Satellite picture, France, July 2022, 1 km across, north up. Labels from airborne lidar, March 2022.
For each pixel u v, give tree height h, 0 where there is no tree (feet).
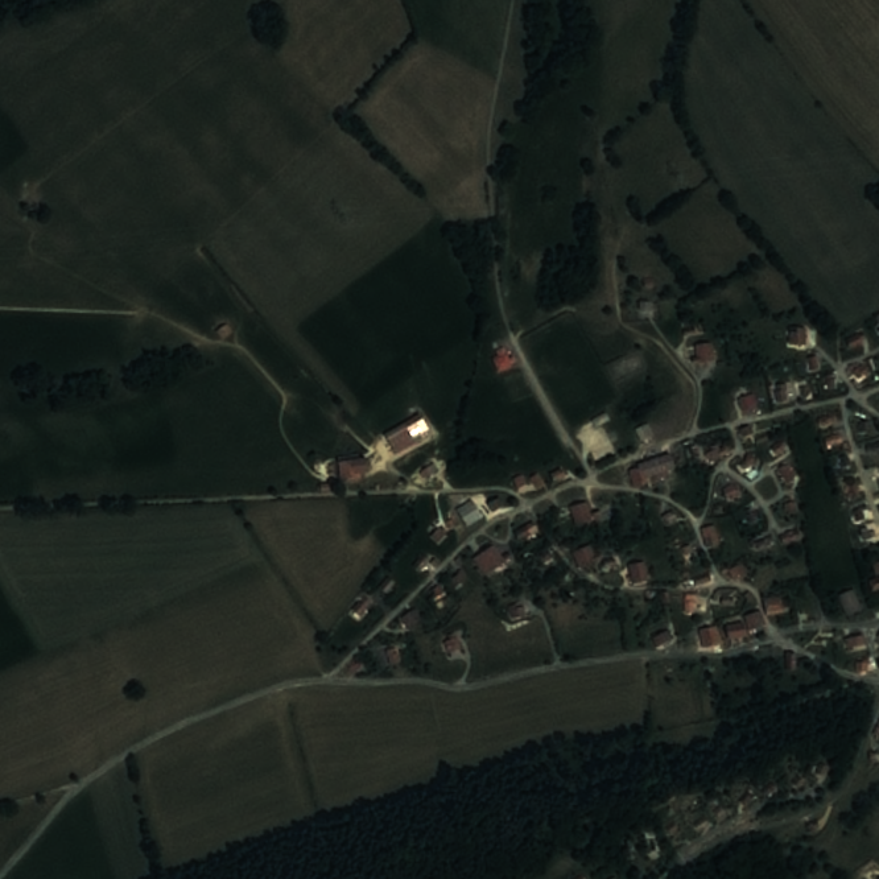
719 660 0
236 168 0
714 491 0
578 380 0
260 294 0
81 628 0
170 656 0
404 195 0
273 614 0
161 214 0
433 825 88
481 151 0
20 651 0
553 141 0
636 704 0
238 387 0
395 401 0
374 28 0
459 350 0
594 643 0
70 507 72
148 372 33
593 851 58
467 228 39
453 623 0
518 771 85
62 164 0
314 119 0
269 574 0
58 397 67
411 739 0
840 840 0
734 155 0
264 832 0
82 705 0
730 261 0
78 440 0
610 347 0
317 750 0
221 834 0
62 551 0
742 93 0
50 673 0
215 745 0
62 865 0
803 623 0
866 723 67
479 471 0
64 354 0
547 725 0
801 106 0
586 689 0
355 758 0
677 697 0
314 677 0
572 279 63
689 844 0
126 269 0
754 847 66
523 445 0
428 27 0
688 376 0
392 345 0
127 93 0
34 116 0
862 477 0
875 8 0
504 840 68
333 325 0
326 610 0
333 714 0
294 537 0
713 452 0
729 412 0
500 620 0
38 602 0
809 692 62
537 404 0
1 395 0
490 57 0
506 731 0
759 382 0
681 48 70
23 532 0
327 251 0
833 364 0
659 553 0
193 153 0
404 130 0
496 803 88
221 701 0
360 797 0
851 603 0
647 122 0
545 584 21
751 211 0
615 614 22
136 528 0
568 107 0
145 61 0
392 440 0
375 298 0
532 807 81
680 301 21
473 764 0
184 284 0
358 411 0
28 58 0
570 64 85
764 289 0
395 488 0
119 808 0
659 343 0
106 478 0
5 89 0
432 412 0
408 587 0
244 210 0
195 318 0
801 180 0
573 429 0
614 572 0
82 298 0
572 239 0
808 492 0
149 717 0
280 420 0
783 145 0
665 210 52
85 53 0
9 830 0
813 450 0
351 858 94
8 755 0
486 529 0
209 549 0
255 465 0
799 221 0
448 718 0
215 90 0
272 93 0
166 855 0
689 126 35
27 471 0
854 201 0
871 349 0
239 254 0
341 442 0
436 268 0
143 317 0
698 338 0
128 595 0
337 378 0
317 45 0
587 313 0
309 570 0
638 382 0
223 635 0
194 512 0
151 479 0
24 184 0
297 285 0
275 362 0
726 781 20
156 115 0
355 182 0
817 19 0
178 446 0
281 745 0
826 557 0
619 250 0
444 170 0
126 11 0
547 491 0
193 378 0
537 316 0
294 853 90
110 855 0
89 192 0
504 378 0
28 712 0
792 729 46
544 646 0
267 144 0
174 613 0
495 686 0
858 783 0
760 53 0
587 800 82
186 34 0
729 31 0
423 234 0
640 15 0
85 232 0
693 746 26
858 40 0
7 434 0
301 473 0
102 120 0
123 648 0
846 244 0
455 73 0
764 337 0
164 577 0
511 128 40
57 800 0
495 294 0
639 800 66
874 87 0
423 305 0
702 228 0
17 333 0
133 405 0
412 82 0
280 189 0
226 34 0
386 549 0
